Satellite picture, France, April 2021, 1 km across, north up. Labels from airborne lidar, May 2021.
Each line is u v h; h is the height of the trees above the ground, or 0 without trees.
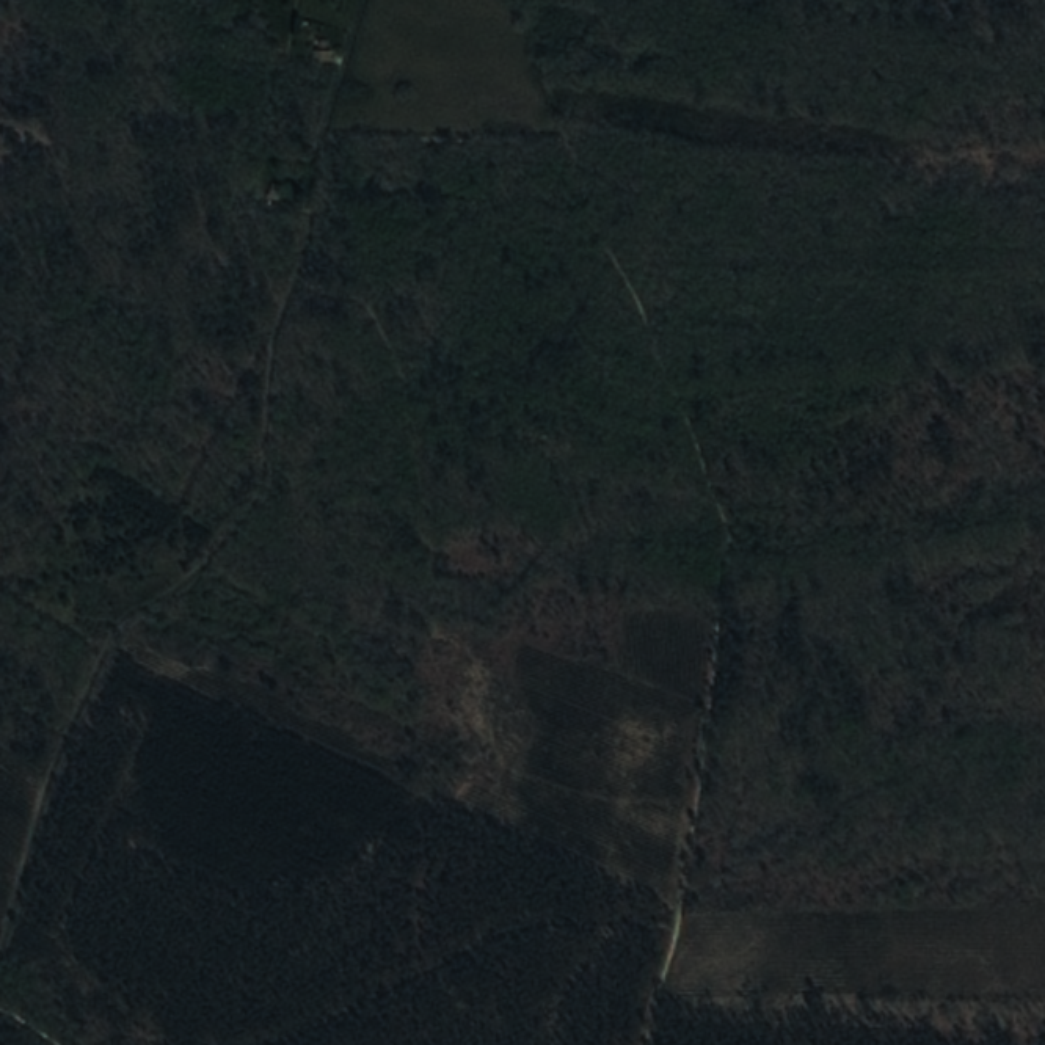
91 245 22
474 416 19
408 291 13
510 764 0
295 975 19
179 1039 17
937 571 9
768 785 14
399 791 9
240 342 23
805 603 15
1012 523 16
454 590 16
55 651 13
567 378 20
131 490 11
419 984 17
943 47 23
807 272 22
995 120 13
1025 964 0
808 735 20
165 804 10
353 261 17
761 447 12
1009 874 14
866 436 15
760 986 0
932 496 16
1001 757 23
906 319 15
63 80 20
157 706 11
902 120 23
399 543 17
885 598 17
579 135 14
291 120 18
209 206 25
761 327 17
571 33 6
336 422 12
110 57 15
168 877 19
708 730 8
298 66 12
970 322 12
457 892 19
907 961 0
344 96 6
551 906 18
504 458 16
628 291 14
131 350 20
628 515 15
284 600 20
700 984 0
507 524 13
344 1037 19
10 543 11
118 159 21
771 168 17
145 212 20
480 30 0
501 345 23
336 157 14
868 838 13
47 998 10
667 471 15
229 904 14
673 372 17
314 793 10
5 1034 21
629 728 0
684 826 0
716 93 20
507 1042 18
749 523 15
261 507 13
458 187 17
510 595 19
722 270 24
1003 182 12
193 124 22
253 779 10
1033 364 17
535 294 27
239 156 21
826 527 18
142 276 20
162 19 19
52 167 17
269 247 16
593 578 20
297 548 16
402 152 15
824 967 0
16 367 17
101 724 17
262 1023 20
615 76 20
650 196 23
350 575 18
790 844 13
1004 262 18
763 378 21
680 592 13
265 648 8
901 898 16
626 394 17
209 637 5
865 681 16
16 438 14
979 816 17
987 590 17
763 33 16
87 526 9
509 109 0
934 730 9
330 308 15
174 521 11
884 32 21
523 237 17
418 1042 17
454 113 0
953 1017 12
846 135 6
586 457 16
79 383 19
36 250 22
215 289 28
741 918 0
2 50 11
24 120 16
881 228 19
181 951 19
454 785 12
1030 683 14
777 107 16
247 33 19
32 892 16
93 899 18
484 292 20
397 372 15
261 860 9
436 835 16
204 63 20
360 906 15
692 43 19
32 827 0
